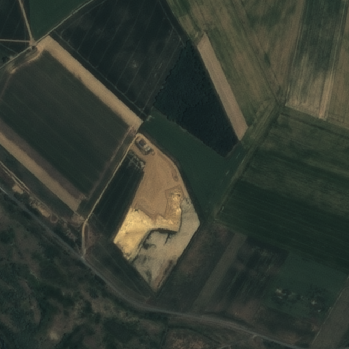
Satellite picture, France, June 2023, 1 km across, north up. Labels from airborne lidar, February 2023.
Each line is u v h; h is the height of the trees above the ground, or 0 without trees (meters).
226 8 0
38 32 0
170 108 15
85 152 0
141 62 0
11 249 0
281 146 0
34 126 0
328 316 0
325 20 0
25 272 0
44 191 0
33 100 0
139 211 0
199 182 0
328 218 0
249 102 0
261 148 0
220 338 0
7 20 0
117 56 0
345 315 0
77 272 0
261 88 0
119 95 0
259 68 0
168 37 0
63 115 0
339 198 0
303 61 0
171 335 0
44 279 0
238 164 0
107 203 0
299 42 0
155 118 0
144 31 0
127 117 0
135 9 0
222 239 0
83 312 0
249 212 0
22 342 6
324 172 0
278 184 0
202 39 0
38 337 0
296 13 0
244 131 0
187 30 0
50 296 0
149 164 0
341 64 0
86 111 0
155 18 0
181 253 0
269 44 0
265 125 0
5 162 0
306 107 0
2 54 0
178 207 0
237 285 0
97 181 0
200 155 0
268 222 0
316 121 0
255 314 0
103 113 0
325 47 0
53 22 0
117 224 0
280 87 0
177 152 0
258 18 0
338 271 0
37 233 0
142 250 0
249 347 0
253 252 0
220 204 0
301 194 0
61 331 0
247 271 0
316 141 0
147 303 0
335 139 0
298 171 0
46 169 0
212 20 0
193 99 18
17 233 0
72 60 0
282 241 0
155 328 0
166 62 0
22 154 0
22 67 0
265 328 0
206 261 0
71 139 0
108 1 0
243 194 0
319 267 0
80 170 0
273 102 0
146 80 0
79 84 0
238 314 0
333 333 0
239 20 0
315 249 0
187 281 0
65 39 0
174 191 0
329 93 0
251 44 0
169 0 0
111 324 0
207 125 16
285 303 0
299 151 0
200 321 0
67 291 0
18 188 0
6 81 0
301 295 0
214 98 8
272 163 0
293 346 0
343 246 0
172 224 0
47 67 0
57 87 0
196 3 0
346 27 0
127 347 0
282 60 0
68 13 0
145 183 0
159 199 0
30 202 0
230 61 0
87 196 0
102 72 0
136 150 0
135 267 0
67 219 0
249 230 0
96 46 0
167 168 0
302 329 0
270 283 0
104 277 0
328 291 0
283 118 0
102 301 0
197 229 0
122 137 0
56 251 0
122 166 0
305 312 0
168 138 0
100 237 0
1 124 0
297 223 0
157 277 0
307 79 0
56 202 0
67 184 0
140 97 0
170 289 0
